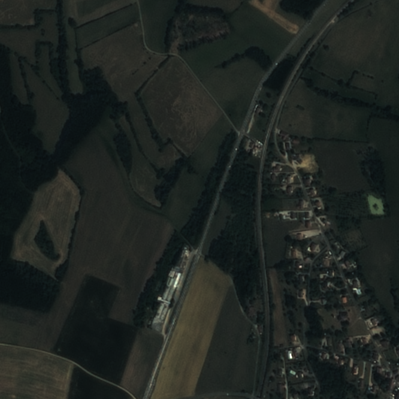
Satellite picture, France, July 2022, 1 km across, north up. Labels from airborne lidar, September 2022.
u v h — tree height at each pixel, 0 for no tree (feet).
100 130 0
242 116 0
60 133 0
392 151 0
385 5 0
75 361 0
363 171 23
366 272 0
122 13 0
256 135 0
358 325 0
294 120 0
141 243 0
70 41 0
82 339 0
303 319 0
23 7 0
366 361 0
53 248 22
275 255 0
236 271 24
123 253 0
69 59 0
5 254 19
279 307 0
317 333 57
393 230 0
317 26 0
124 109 64
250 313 0
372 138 0
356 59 0
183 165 56
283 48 0
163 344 0
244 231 23
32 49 0
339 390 75
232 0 0
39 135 0
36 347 0
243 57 27
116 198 0
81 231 0
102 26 0
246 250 26
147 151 0
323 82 0
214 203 0
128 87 0
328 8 0
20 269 43
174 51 0
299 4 46
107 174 0
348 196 28
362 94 0
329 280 26
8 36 0
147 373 0
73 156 0
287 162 0
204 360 0
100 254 0
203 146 0
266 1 0
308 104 0
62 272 26
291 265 18
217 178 51
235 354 0
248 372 0
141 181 0
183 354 0
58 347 0
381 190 54
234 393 0
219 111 0
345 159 0
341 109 0
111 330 0
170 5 0
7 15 0
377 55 0
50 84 0
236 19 0
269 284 20
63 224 0
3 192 22
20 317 0
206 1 0
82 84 0
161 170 23
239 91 0
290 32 0
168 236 0
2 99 36
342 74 0
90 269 0
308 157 0
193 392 0
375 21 0
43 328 0
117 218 0
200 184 0
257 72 0
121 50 0
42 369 0
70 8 0
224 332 0
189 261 0
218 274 0
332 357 22
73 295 0
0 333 0
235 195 68
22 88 0
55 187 0
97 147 0
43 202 0
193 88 0
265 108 42
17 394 0
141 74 0
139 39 0
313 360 60
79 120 76
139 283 0
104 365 0
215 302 0
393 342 35
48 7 0
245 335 0
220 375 0
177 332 0
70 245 38
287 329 0
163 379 0
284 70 35
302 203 0
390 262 0
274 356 33
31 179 52
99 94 63
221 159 49
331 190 58
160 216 0
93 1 0
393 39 0
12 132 25
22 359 0
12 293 62
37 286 53
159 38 0
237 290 34
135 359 0
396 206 0
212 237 0
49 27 0
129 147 56
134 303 0
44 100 0
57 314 0
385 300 0
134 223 0
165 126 0
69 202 0
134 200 0
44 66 0
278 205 0
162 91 0
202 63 0
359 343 25
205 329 0
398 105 0
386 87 0
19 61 33
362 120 0
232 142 32
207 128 0
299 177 0
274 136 0
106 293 0
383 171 60
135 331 0
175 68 0
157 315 0
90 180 0
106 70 0
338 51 0
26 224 0
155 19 0
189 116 0
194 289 0
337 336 43
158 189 52
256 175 36
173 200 0
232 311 0
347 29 0
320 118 0
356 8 0
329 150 0
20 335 0
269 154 25
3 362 0
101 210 0
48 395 0
